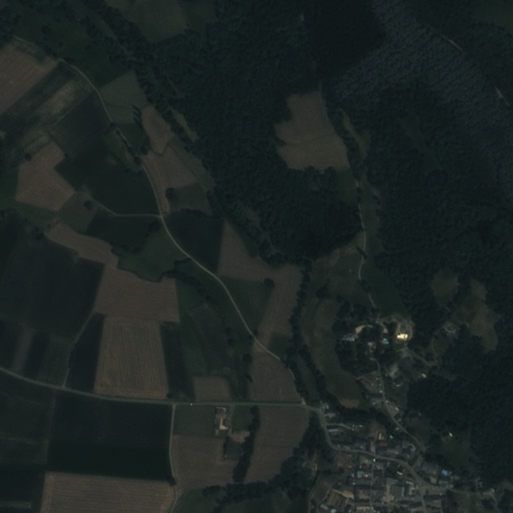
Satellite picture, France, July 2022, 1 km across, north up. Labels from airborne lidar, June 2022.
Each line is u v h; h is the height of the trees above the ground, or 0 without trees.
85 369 0
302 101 0
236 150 22
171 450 0
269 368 0
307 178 19
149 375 0
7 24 19
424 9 16
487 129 19
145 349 0
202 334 0
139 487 0
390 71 22
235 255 0
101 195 0
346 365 19
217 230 0
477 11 19
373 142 9
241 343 0
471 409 26
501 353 25
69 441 0
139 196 0
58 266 0
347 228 10
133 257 0
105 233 0
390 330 9
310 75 27
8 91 0
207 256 0
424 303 27
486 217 7
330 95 22
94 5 21
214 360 0
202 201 0
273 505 0
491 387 26
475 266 28
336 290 0
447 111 19
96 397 0
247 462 19
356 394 0
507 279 30
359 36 29
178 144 0
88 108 0
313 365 15
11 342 0
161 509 0
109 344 0
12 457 0
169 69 27
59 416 0
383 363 16
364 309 17
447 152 24
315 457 0
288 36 27
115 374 0
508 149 20
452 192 25
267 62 26
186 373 0
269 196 28
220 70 23
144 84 14
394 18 19
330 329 0
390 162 29
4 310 0
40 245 0
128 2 0
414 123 0
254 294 0
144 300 0
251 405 0
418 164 21
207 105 29
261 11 22
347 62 31
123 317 0
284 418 0
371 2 18
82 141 0
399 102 21
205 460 0
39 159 0
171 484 15
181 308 0
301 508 0
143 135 0
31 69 0
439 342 0
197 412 0
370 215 0
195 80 30
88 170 0
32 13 0
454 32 18
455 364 26
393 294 0
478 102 13
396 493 0
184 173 0
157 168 0
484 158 21
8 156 0
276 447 0
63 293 0
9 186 0
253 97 28
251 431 15
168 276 6
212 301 10
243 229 28
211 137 30
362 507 0
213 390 0
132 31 24
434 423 11
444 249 25
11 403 0
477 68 16
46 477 0
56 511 0
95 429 0
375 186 22
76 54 0
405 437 16
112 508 0
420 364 16
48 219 0
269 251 27
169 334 0
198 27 0
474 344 20
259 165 18
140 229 0
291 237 26
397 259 12
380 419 18
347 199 0
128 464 0
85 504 0
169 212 0
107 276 0
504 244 31
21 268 0
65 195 0
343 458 0
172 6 0
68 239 0
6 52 0
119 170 0
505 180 18
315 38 29
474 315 0
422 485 0
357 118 21
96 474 0
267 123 21
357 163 30
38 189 0
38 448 0
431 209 19
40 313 0
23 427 0
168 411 0
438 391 25
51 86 0
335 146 0
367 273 0
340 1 28
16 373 0
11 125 0
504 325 25
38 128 0
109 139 0
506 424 30
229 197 22
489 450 29
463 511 0
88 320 0
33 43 0
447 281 0
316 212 22
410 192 16
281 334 0
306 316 0
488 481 7
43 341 0
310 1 30
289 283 0
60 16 26
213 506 0
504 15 0
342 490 0
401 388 0
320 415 0
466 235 29
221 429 0
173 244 0
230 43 30
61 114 0
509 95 21
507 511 7
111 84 0
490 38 20
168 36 0
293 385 0
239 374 0
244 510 0
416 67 19
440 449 0
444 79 20
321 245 24
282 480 16
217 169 29
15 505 0
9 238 0
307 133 0
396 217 13
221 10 19
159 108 21
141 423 0
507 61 20
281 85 31
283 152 0
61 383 0
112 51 22
